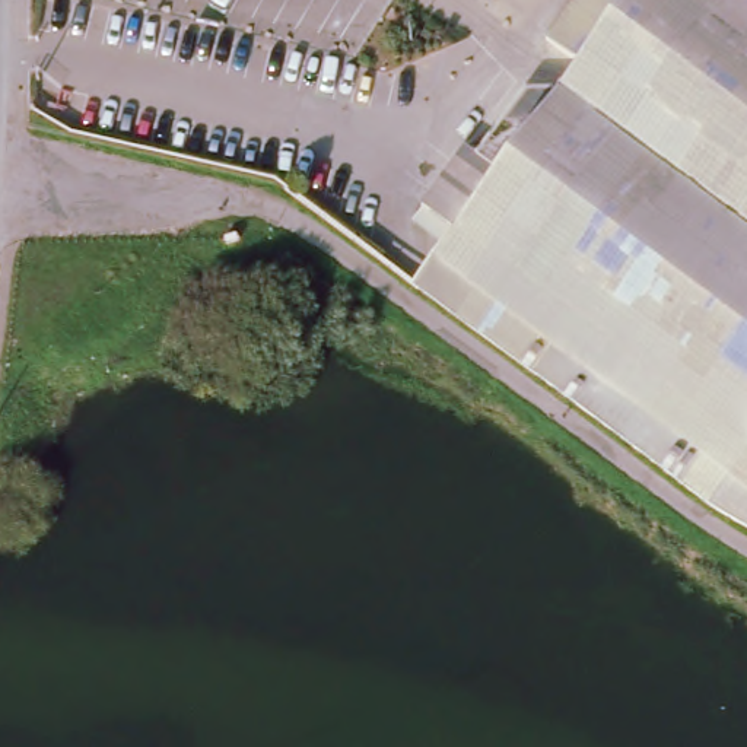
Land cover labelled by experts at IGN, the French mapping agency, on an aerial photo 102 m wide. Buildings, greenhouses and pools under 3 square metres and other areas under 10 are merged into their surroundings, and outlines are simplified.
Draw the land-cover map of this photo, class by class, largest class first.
<instances>
[{"label":"water","instance_id":"1","mask_svg":"<svg viewBox=\"0 0 747 747\"><path fill-rule=\"evenodd\" d=\"M368 359H362L350 347L327 344L321 350V368L315 371V382L309 388L303 397H292L289 403H277L271 409H236L219 397H198L187 388H178L175 382L155 374H143L120 385H102L79 397L55 435L41 432L35 438L15 441L26 458L35 461L50 481L53 499L47 511V531L26 551L0 549V747H747V613L732 604L715 601L697 578L674 566L668 557H662L636 531L622 528L598 505L578 499L572 481L531 446L496 420L484 417L481 409L473 417H458L455 411L435 406L426 397L368 379L362 365Z\"/></svg>","mask_w":747,"mask_h":747},{"label":"impervious surface","instance_id":"2","mask_svg":"<svg viewBox=\"0 0 747 747\"><path fill-rule=\"evenodd\" d=\"M610 3L616 6L619 0H420L411 9V23L400 26L406 38H414V26H423L426 20L452 26L455 20H461L470 35L444 47H432L423 55H406L385 53L379 47L382 35L388 32V20H394V0H0V356L9 324L15 257L26 236L181 233L187 228L222 216H257L303 236L318 233L315 222H309L289 201L266 190L187 175L35 137L29 134V114L35 108L76 131L146 143L166 152L198 155L207 160L236 163L271 172L277 178H289L295 190L306 193L315 204L330 210L338 222L365 236L391 263L411 274L432 245V233L441 228L444 219L455 216L458 204L470 196L479 175L487 169L502 143H514L519 131V114L537 111L551 96L554 85L566 70V61L575 50L584 47L601 9ZM327 251L344 268L365 277L391 303H397L411 318L426 324L441 341H446L470 362L484 368L490 376L505 382L511 391L543 409L557 426L581 438L604 461L624 470L633 481H639L654 496L668 502L686 519H692L706 534L718 537L741 557H747V525H738L721 514L712 516L706 511L680 496L674 487H668L633 455L622 452L613 441H607L584 420L572 409H566L560 400L528 382L519 371L508 368L493 353L479 347L470 336L455 330L420 298L388 280L382 271H376L368 260H362L338 239L330 236Z\"/></svg>","mask_w":747,"mask_h":747},{"label":"building","instance_id":"3","mask_svg":"<svg viewBox=\"0 0 747 747\"><path fill-rule=\"evenodd\" d=\"M411 289L441 303V309H446L449 315L464 318L470 327H476L479 336H487L499 347L519 353V362L546 385L563 391V397L572 400V409L584 420L592 417L604 429L619 432V438L630 441L636 452H645L665 473H671L692 493H697L706 511L712 516L721 514L738 525H747V0H619L616 6L610 3L601 9L584 47L575 50L566 61V70L554 85L551 96L537 111L519 114V131L514 143H502L487 169L479 175L470 196L458 204L455 216L444 219L441 228L432 233V245L411 274Z\"/></svg>","mask_w":747,"mask_h":747},{"label":"herbaceous vegetation","instance_id":"4","mask_svg":"<svg viewBox=\"0 0 747 747\"><path fill-rule=\"evenodd\" d=\"M29 134L35 137L187 175L266 190L289 201L309 222H315L318 233L303 236L257 216H222L187 228L181 233L26 236L15 257L9 324L0 356V455L26 458L15 441L35 438L41 432L55 435L79 397L102 385H120L143 374H155L163 365L166 353L181 347V336L163 333L166 315L184 295L187 280L204 277L201 266L219 260L233 271L274 266L280 271L301 268L309 277L315 303L298 321L303 359L292 365L295 379H301L309 388L315 382V371L321 368V350L327 344L350 347L362 359H368L362 365L368 379L426 397L435 406L455 411L458 417H473L481 409L484 417L496 420L531 446L537 438H549L566 446L587 470H592L587 479L592 481V487L610 493L624 511L636 514L639 522L659 519L662 525H668L692 549H697V563L703 569L718 572L729 589L747 595V557H741L718 537L706 534L692 519H686L668 502L654 496L639 481H633L624 470L604 461L581 438L557 426L543 409L511 391L505 382L490 376L484 368L470 362L446 341H441L426 324L411 318L397 303H391L365 277L344 268L327 251L330 236L338 239L362 260H368L376 271H382L388 280L420 298L455 330L470 336L479 347L493 353L508 368L519 371L528 382L560 400L566 409H572V400L563 397V391L546 385L519 362V353L499 347L487 336H479L476 327H470L464 318L449 315L446 309H441V303L411 289V274L391 263L365 236L338 222L330 210L315 204L306 193L295 190L289 178H277L271 172L236 163L207 160L198 155L166 152L146 143L76 131L35 108L29 114ZM607 441H613L622 452L633 455L668 487H674L680 496L706 511L697 493H692L671 473H665L645 452H636L630 441L619 438V432L604 429L592 417L584 420Z\"/></svg>","mask_w":747,"mask_h":747},{"label":"deciduous trees","instance_id":"5","mask_svg":"<svg viewBox=\"0 0 747 747\"><path fill-rule=\"evenodd\" d=\"M204 277L187 280L184 295L166 315L163 333L181 336V347L166 353L163 365L155 374L175 382L178 388H187L198 397H219L236 409H271L277 403H289L292 397H303L309 388L301 379H295L292 365L303 359L298 321L315 303L309 277L301 268L280 271L274 266L233 271L219 260L201 266ZM53 499L50 481L35 461L26 458L0 455V549L26 551L47 531V511Z\"/></svg>","mask_w":747,"mask_h":747},{"label":"brushwood","instance_id":"6","mask_svg":"<svg viewBox=\"0 0 747 747\"><path fill-rule=\"evenodd\" d=\"M420 0H394V20H388V32L382 35L379 47L385 53L406 55H423L432 47H444L470 35L461 20H455L452 26L426 20L423 26H414V38H406L400 26L411 23V9ZM531 446L572 481L578 499L598 505L622 528L636 531L662 557H668L674 566L697 578L715 601L732 604L747 613V595L729 589L718 572L703 569L697 563V549H692L668 525H662L659 519L639 522L636 514L624 511L610 493L592 487V481L587 479L592 470H587L566 446L549 438H537Z\"/></svg>","mask_w":747,"mask_h":747}]
</instances>
